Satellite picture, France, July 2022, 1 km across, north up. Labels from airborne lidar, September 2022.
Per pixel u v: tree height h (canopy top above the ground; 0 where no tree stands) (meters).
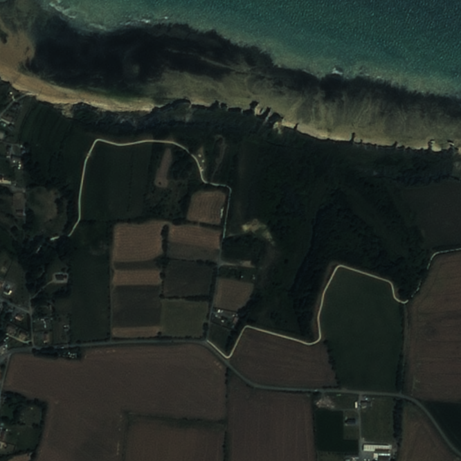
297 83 0
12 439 0
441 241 0
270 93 0
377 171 0
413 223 0
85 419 0
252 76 0
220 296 0
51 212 0
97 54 0
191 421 0
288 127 0
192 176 0
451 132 0
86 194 0
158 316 0
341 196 8
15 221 7
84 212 0
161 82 0
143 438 0
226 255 0
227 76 0
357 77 0
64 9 0
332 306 0
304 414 0
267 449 0
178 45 0
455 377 0
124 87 0
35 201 0
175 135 0
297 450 0
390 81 0
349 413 0
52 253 18
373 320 0
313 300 7
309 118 0
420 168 7
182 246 0
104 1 0
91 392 0
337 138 0
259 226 0
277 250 0
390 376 0
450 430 0
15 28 0
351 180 6
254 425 0
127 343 0
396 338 0
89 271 0
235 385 0
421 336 0
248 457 0
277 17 0
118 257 0
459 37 0
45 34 0
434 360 0
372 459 0
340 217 12
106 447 0
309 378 0
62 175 6
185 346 0
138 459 0
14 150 0
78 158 0
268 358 0
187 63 0
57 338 0
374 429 0
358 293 0
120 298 0
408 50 0
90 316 0
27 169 13
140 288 0
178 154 7
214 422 0
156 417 0
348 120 0
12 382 0
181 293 0
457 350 0
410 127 0
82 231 0
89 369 0
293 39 0
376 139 0
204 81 0
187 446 0
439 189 0
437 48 0
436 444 0
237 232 0
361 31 0
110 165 0
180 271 0
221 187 8
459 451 0
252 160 0
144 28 0
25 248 12
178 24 0
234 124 0
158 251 0
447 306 0
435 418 0
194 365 0
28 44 0
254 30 0
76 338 0
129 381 0
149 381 0
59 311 0
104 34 0
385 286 0
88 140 0
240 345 0
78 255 0
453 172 0
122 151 0
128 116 0
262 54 0
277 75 0
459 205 0
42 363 0
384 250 6
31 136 0
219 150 0
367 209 0
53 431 0
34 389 0
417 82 0
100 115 0
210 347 0
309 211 0
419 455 0
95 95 0
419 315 0
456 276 0
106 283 0
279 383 0
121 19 0
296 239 0
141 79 0
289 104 0
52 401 0
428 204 0
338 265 0
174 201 0
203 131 0
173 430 0
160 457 0
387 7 0
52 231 0
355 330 0
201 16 0
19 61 0
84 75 0
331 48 0
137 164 0
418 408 0
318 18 0
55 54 0
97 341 6
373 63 0
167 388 0
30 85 0
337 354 0
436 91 0
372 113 0
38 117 0
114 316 0
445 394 0
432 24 0
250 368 0
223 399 0
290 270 0
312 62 0
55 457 0
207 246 0
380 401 0
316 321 0
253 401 0
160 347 0
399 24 0
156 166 0
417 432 0
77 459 0
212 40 0
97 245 0
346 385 0
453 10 0
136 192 0
